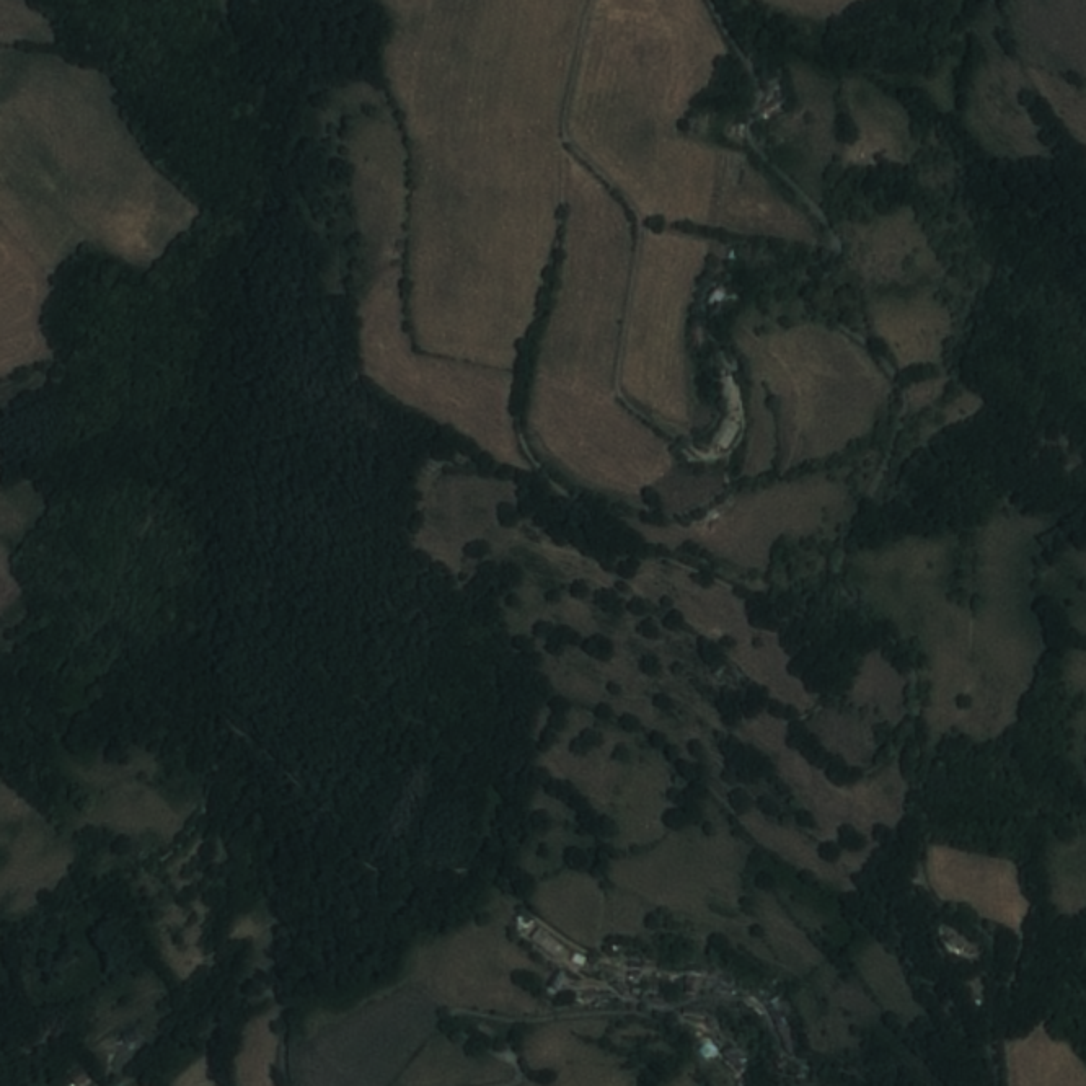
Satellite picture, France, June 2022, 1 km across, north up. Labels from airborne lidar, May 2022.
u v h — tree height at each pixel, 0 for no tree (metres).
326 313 18
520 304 0
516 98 0
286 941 20
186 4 15
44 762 22
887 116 0
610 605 18
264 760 15
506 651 22
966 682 0
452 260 0
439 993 0
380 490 19
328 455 19
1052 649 14
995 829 15
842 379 0
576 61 0
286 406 17
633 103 0
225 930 16
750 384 8
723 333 9
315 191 8
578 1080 0
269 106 26
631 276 0
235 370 22
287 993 21
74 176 0
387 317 0
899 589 0
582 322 0
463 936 0
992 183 15
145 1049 15
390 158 0
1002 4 12
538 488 15
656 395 0
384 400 10
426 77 0
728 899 0
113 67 16
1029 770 24
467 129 0
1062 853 0
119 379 12
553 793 18
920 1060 13
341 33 20
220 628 16
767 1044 7
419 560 14
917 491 18
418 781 22
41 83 0
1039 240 21
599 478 0
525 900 14
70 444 19
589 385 0
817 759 15
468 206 0
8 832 0
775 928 0
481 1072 0
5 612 0
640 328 0
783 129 0
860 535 20
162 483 9
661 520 16
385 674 16
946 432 13
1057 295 19
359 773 19
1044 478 18
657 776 0
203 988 8
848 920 11
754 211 0
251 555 16
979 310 13
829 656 15
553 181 0
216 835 16
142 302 12
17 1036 18
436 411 0
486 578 19
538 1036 0
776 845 0
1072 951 19
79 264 13
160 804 0
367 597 13
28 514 0
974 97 0
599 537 20
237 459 20
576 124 0
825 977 0
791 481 9
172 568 13
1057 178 20
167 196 0
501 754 22
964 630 0
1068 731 7
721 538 0
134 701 21
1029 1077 0
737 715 11
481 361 0
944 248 11
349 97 0
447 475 10
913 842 18
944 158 10
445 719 18
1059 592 0
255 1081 0
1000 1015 14
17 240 0
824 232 8
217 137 11
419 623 15
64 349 10
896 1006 0
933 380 12
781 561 16
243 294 10
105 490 16
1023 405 14
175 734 20
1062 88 0
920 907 13
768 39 12
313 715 19
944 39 12
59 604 15
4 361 0
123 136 0
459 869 12
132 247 0
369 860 14
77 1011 16
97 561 8
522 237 0
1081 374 12
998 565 0
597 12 0
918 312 0
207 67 16
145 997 0
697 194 0
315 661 15
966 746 19
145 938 15
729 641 11
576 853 19
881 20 12
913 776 10
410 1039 0
